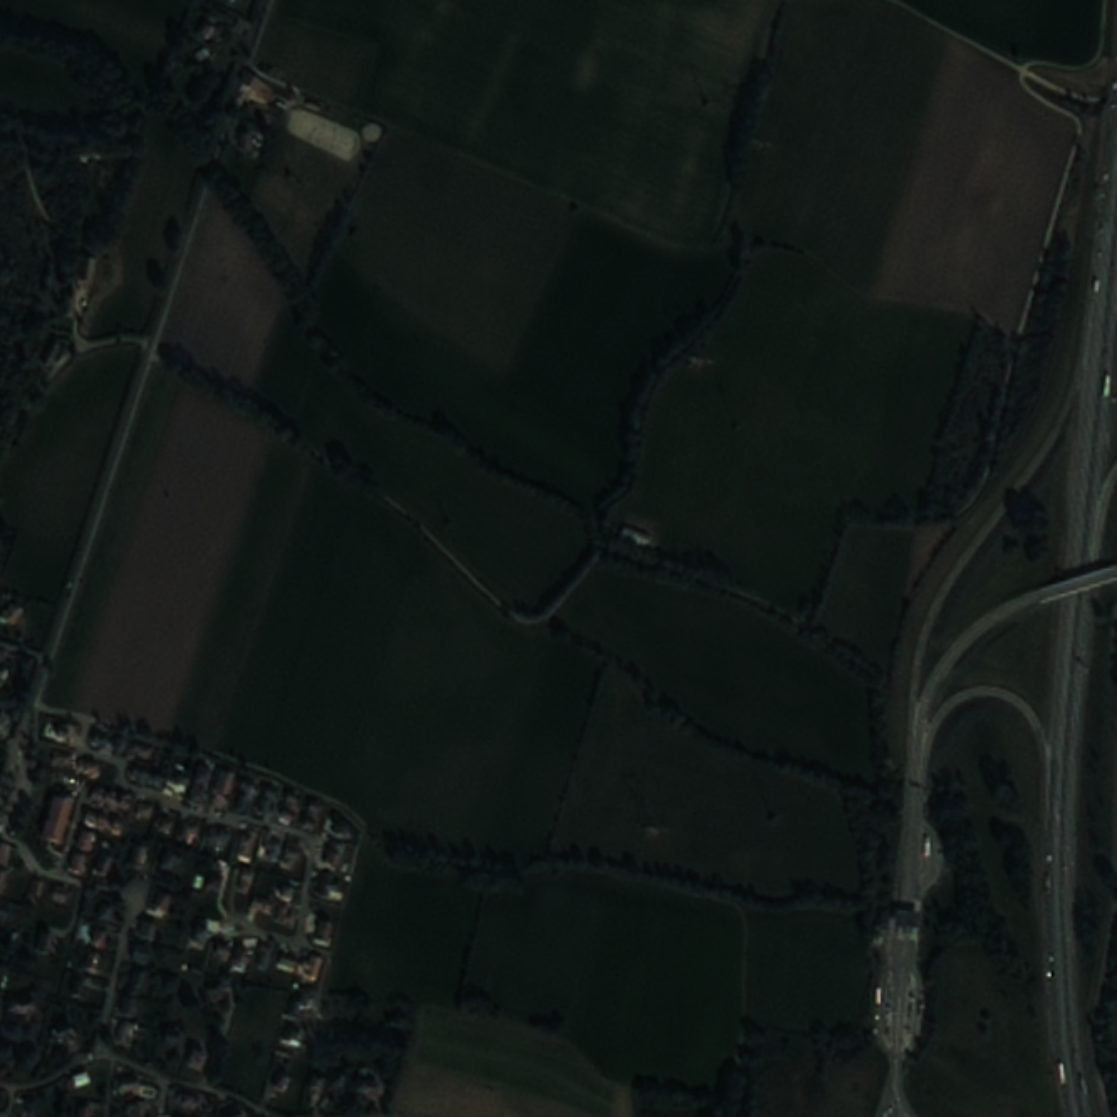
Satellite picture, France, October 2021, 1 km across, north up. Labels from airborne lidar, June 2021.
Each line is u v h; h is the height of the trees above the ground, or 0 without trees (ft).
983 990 0
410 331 0
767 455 0
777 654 0
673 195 0
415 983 0
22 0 0
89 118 0
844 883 0
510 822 0
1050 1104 0
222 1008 26
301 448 51
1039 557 41
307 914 0
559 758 0
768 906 22
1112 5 0
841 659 26
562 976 0
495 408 0
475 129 0
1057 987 0
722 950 0
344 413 0
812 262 0
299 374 0
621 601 0
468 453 42
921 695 0
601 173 0
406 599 0
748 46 0
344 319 0
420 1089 0
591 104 0
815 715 0
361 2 0
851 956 0
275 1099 0
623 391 0
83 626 0
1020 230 0
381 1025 0
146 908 0
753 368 0
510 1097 0
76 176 47
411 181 0
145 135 46
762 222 0
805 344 0
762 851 0
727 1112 49
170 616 0
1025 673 0
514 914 0
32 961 37
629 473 28
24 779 0
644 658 0
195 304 0
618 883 0
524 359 0
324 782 0
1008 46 0
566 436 0
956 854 53
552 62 0
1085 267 0
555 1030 35
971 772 0
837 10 0
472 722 0
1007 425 28
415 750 0
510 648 0
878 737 30
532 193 0
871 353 0
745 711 0
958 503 23
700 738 23
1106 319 0
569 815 0
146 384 0
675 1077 0
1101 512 0
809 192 0
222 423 0
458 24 0
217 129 45
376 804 0
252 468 0
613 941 0
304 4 0
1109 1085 29
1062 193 0
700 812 0
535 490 25
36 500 0
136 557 0
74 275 49
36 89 0
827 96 0
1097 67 0
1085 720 0
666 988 0
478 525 0
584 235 0
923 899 0
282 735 0
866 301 0
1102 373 0
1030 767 0
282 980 0
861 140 0
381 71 0
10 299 59
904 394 0
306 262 0
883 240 0
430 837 0
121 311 0
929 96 0
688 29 0
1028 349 22
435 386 0
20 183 26
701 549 0
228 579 0
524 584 0
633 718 0
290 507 0
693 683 0
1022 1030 0
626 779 0
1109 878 46
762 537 0
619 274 0
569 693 0
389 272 0
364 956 0
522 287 0
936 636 0
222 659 0
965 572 0
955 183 0
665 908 0
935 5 0
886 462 0
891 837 0
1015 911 0
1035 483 0
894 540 0
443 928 0
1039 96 0
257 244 73
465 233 0
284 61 0
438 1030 0
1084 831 0
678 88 0
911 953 0
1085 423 0
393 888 0
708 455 0
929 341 0
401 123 0
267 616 0
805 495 0
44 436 0
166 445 0
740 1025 0
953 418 32
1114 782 0
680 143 0
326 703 0
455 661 0
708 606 0
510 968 0
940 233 0
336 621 0
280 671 0
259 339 0
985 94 0
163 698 0
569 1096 0
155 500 0
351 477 47
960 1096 0
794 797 0
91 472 0
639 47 0
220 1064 52
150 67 0
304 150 0
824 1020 0
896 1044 0
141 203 0
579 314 0
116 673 0
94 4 0
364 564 0
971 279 0
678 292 0
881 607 0
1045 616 0
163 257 0
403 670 0
